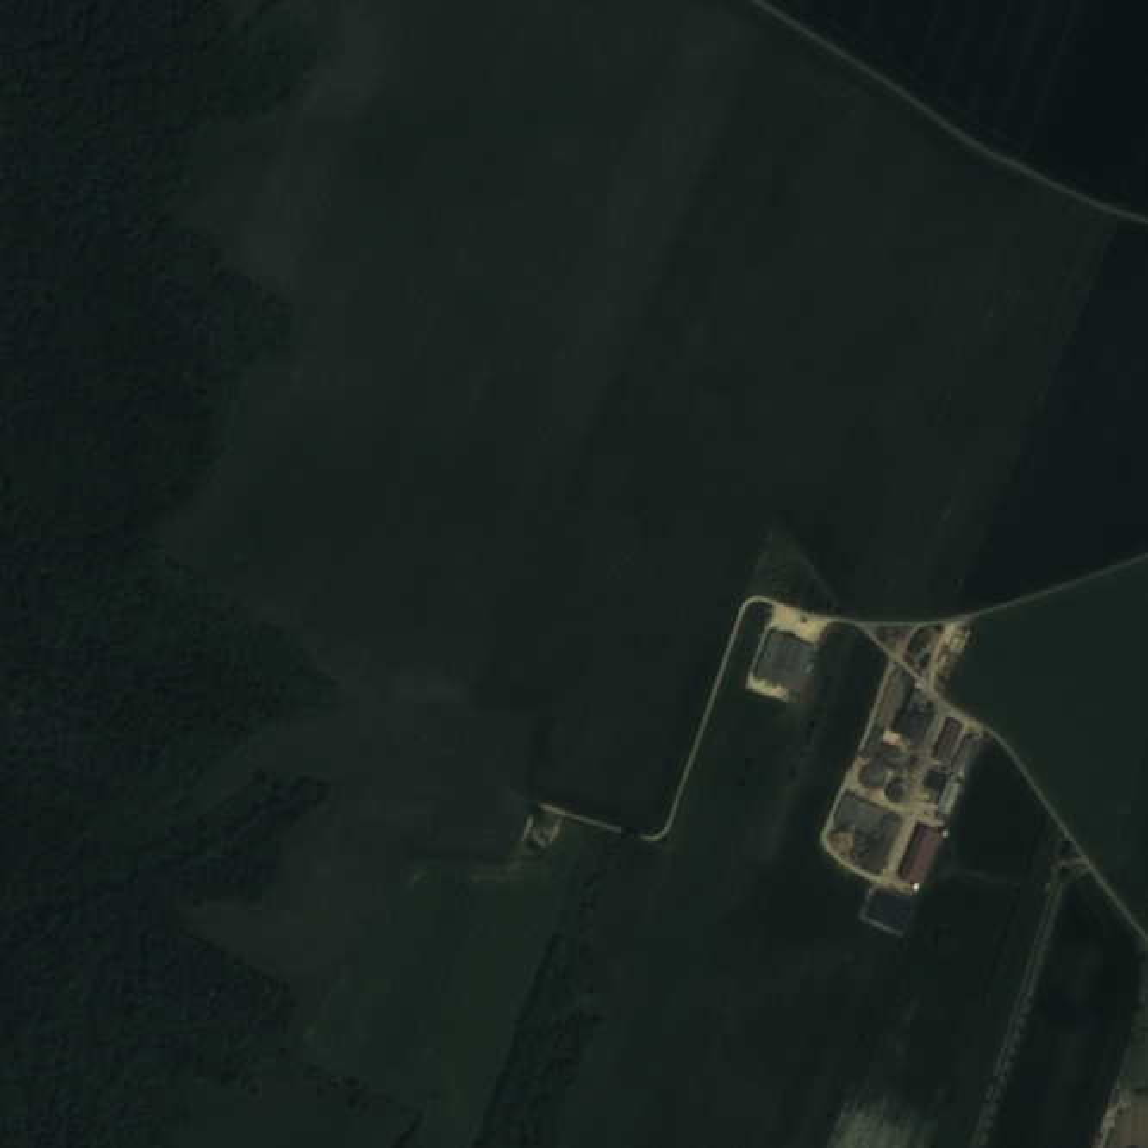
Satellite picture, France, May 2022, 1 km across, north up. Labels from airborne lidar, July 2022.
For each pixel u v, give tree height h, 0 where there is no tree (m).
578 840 0
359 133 0
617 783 0
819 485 0
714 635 0
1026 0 0
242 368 22
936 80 0
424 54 0
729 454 0
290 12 12
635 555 0
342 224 0
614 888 0
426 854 0
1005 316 0
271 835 17
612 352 0
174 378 25
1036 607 0
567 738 0
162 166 25
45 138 20
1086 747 0
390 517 0
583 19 0
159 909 18
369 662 0
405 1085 0
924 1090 0
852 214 0
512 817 0
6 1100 19
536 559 0
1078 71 0
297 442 0
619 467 0
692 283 0
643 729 0
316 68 13
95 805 20
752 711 0
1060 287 0
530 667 0
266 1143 0
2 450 19
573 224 0
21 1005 22
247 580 0
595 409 0
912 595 0
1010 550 0
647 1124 0
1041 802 0
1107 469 0
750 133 0
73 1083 19
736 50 0
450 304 0
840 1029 0
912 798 0
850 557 0
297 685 20
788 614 0
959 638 0
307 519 0
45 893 6
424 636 0
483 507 0
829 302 0
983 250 0
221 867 16
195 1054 20
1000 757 0
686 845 0
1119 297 0
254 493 0
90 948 15
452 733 0
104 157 17
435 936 0
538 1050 20
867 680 0
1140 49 0
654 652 0
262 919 0
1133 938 0
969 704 0
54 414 21
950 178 0
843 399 0
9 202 24
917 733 0
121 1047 9
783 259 0
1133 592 0
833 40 0
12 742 21
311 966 0
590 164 0
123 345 26
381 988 0
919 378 0
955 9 0
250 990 20
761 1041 0
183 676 10
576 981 17
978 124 0
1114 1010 0
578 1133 0
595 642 0
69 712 13
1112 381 0
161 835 10
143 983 18
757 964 0
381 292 0
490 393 0
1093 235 0
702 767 0
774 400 0
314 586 0
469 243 0
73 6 10
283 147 0
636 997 0
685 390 0
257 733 14
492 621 0
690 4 0
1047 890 0
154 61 24
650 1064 0
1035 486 0
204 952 14
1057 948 0
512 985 0
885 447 0
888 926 0
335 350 0
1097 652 0
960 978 0
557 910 0
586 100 0
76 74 17
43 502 18
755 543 0
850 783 0
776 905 0
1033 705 0
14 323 23
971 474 0
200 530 0
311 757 0
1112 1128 0
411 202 0
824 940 0
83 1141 22
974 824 0
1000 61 0
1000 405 0
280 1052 11
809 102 0
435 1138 0
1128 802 0
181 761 20
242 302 22
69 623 24
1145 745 0
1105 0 0
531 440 0
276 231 0
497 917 0
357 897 0
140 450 23
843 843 0
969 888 0
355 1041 0
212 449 20
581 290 0
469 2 0
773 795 0
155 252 19
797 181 0
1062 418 0
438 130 0
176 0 13
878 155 0
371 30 0
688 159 0
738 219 0
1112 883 0
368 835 0
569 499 0
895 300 0
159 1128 22
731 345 0
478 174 0
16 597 22
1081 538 0
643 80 0
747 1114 0
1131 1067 0
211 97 15
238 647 17
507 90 0
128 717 10
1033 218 0
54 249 21
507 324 0
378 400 0
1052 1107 0
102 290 28
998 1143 0
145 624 16
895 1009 0
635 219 0
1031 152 0
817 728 8
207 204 0
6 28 20
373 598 0
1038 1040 0
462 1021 0
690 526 0
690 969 0
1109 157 0
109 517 24
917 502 0
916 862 0
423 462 0
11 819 18
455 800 0
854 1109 0
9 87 19
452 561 0
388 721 0
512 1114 18
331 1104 0
